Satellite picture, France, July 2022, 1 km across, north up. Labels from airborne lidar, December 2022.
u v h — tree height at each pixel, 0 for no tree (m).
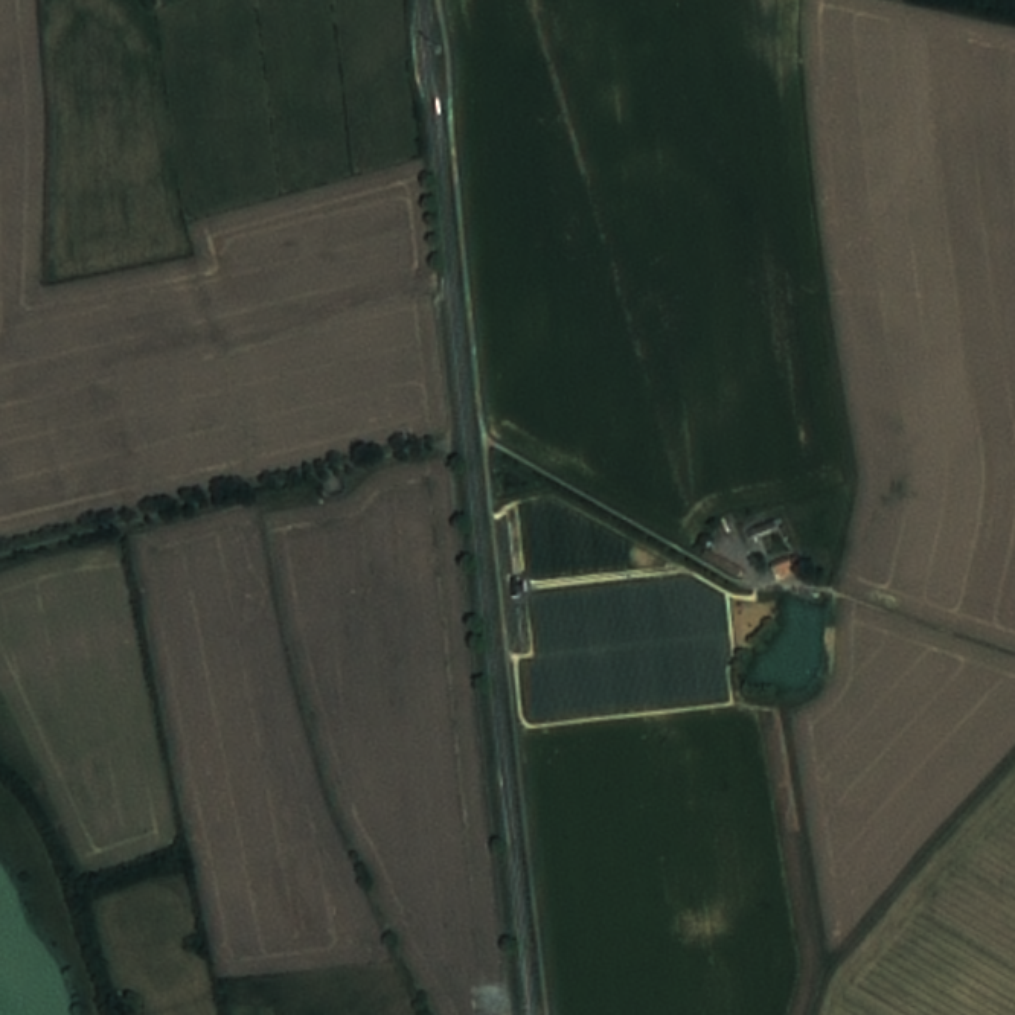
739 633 0
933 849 0
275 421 0
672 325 0
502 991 0
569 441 0
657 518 0
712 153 0
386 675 0
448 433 0
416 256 0
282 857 0
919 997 0
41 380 0
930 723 0
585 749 0
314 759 0
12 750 0
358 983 0
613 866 0
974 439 0
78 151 0
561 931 0
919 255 0
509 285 0
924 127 0
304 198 0
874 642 0
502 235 0
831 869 0
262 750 0
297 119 0
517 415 0
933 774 0
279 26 0
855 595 0
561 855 0
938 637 0
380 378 0
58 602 0
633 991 0
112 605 0
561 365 0
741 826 0
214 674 0
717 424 0
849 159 0
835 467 0
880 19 0
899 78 0
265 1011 0
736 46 0
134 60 0
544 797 0
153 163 0
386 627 0
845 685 0
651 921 0
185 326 0
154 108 0
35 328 0
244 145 0
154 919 0
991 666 0
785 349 0
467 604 0
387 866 0
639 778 0
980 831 0
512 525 0
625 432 0
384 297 0
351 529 0
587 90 0
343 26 0
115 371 0
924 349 0
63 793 0
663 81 0
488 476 0
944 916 0
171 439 0
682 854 0
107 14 0
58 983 0
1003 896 0
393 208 0
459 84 0
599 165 0
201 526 0
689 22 0
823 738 0
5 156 0
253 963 0
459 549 0
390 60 0
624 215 0
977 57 0
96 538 11
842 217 0
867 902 0
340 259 0
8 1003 0
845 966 0
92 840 0
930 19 0
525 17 0
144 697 0
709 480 0
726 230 0
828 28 0
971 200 0
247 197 0
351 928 0
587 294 0
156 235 0
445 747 0
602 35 0
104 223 0
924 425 0
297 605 0
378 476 0
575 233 0
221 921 0
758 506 0
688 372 0
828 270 0
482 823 0
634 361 0
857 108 0
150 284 0
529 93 0
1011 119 0
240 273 0
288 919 0
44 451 0
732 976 0
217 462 0
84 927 7
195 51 0
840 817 0
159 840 0
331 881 0
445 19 0
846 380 0
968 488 0
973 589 0
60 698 0
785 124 0
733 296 0
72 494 0
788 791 0
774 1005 0
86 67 0
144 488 0
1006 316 0
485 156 0
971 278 0
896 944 0
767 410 0
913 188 0
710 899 0
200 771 0
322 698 0
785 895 0
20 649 0
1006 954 0
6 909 0
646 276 0
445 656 0
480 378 0
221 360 0
